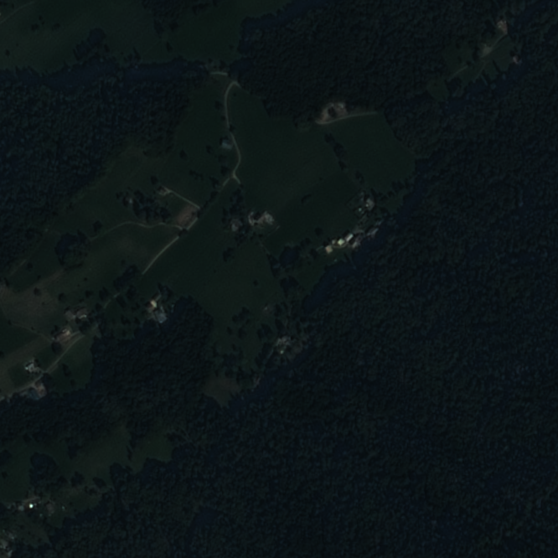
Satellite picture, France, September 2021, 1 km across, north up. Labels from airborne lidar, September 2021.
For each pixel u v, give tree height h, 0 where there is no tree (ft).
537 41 68
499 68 0
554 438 71
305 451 85
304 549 104
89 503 0
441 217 74
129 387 105
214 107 0
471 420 66
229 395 0
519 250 81
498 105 86
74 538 78
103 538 80
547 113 95
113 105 120
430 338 61
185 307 49
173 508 80
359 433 89
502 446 71
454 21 83
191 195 0
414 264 78
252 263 0
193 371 81
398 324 103
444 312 97
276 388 102
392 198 24
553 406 76
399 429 79
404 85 93
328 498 79
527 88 91
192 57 0
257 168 0
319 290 0
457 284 70
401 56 79
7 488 0
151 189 0
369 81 85
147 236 0
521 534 47
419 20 86
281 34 85
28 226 94
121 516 40
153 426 81
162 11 77
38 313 0
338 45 88
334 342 67
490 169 87
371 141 0
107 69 0
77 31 0
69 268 51
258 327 0
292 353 42
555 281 80
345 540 106
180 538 91
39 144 85
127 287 57
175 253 0
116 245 0
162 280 0
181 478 70
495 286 99
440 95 0
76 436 95
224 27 0
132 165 0
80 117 87
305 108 74
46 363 0
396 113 95
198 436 83
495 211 98
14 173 87
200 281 0
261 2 0
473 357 85
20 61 0
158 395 89
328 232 0
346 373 52
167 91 81
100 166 74
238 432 88
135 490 85
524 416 74
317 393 91
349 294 92
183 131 0
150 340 83
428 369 80
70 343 0
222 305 0
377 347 61
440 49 66
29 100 70
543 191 81
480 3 74
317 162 0
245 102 0
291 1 0
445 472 80
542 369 88
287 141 0
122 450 0
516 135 80
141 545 88
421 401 99
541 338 90
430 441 102
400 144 63
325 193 0
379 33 94
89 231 0
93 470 0
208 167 0
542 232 89
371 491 89
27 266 0
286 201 0
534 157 47
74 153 89
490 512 79
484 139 98
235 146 0
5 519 67
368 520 100
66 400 0
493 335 70
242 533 98
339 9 79
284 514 94
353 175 0
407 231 77
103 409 96
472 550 82
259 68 78
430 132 89
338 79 67
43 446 62
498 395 80
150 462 0
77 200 59
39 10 0
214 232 0
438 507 85
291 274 68
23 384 0
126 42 0
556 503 19
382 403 103
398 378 99
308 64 88
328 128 0
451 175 79
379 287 97
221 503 84
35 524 48
